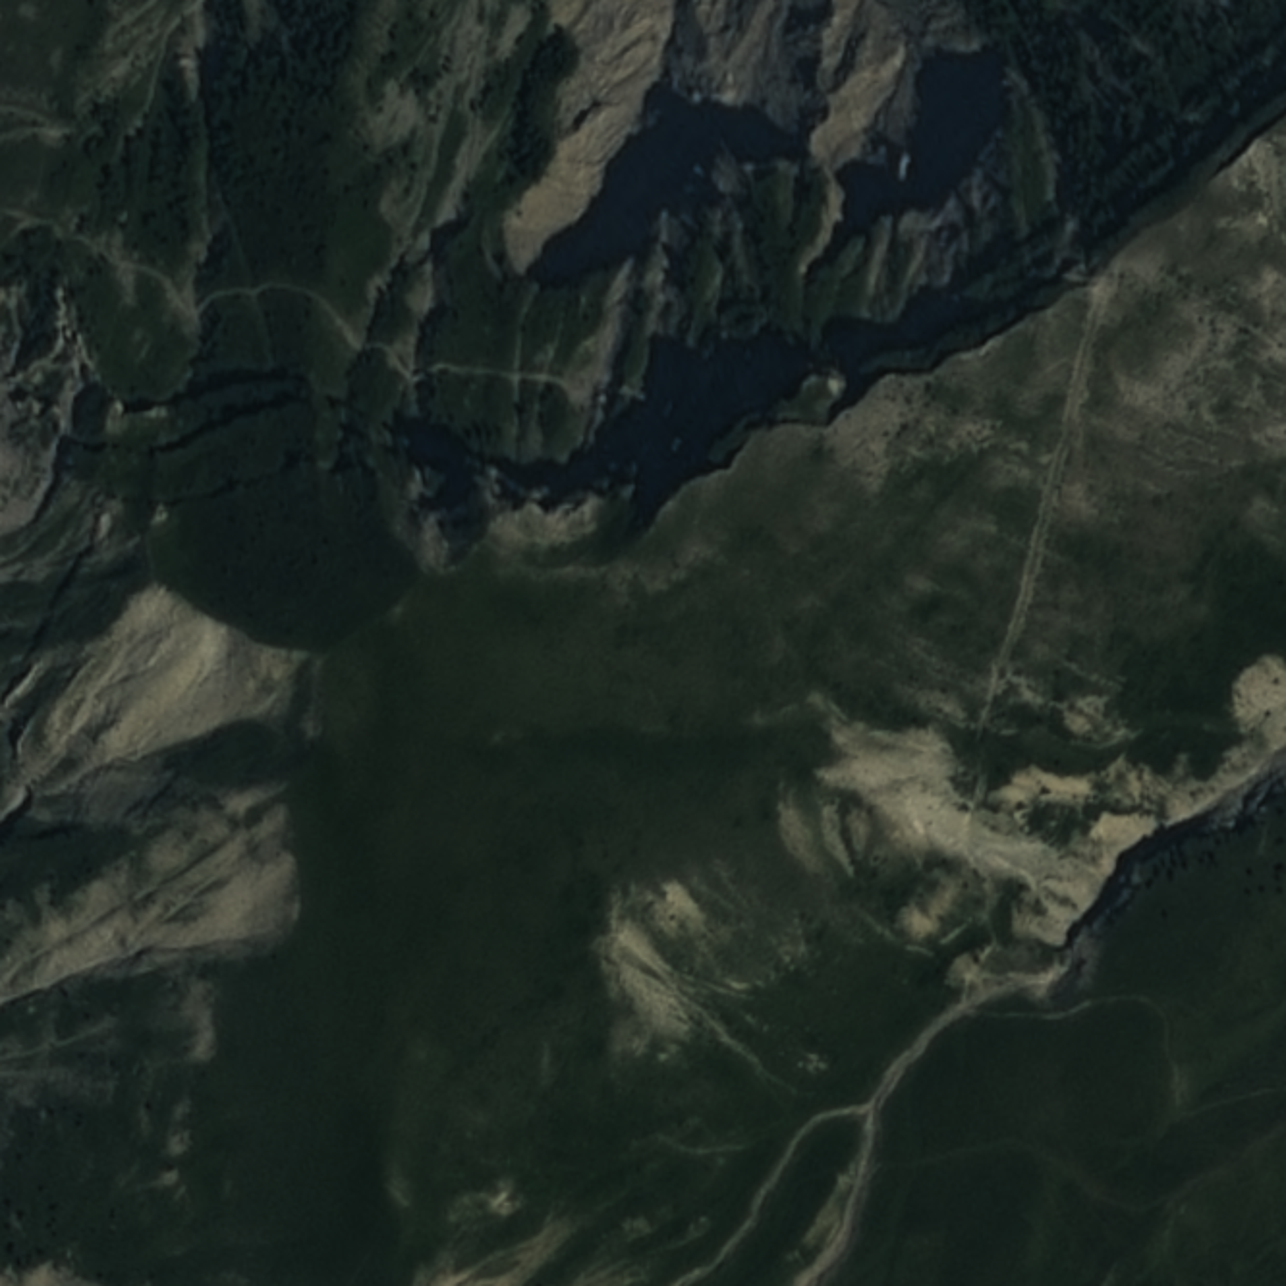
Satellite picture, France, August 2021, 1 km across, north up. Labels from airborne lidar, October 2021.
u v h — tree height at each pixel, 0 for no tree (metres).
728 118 0
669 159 0
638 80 0
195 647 0
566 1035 0
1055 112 6
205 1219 0
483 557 0
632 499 0
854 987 0
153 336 0
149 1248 0
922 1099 0
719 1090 0
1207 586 0
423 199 0
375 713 0
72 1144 0
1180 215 0
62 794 0
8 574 0
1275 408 0
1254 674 0
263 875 0
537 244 0
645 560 0
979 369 0
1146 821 0
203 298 0
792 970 0
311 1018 0
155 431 0
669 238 0
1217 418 0
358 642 0
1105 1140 0
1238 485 0
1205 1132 0
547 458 0
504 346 0
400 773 0
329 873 0
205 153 0
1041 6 13
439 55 0
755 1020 0
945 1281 0
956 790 0
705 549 0
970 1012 0
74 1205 0
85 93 0
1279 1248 0
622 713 0
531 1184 0
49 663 0
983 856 0
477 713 0
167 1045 0
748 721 0
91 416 0
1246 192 0
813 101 0
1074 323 0
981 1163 0
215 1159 0
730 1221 0
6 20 0
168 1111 0
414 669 0
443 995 0
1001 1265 0
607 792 0
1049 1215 0
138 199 0
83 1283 0
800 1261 0
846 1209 0
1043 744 0
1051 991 0
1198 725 0
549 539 0
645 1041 0
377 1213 0
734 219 0
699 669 0
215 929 0
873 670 0
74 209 0
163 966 0
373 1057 0
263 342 0
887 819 0
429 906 0
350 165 0
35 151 0
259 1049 0
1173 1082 0
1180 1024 0
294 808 0
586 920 0
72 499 0
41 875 0
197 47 0
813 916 0
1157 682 0
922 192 0
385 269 0
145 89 0
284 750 0
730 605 0
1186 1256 0
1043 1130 0
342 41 14
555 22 0
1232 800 0
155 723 0
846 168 0
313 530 0
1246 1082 0
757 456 0
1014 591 0
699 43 0
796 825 0
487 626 0
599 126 0
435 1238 0
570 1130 0
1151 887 7
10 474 0
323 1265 0
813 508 0
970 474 0
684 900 0
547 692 0
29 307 0
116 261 0
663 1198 0
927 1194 0
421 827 0
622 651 0
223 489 0
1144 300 0
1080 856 0
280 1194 0
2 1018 0
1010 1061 0
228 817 0
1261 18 0
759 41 0
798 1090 0
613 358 0
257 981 0
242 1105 0
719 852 0
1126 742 0
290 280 0
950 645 0
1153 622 0
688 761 0
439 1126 0
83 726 0
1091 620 0
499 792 0
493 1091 0
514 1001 0
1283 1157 0
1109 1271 0
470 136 0
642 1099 0
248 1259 0
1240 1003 0
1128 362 0
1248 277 0
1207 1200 0
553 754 0
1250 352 0
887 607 0
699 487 0
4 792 0
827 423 0
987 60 0
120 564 0
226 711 0
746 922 0
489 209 0
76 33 0
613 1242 0
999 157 0
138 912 0
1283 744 0
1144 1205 0
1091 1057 0
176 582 0
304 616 0
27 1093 0
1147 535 0
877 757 0
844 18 0
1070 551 0
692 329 0
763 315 0
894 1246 0
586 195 0
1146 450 0
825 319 0
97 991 0
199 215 0
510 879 0
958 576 0
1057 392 0
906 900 0
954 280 0
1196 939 0
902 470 0
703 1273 0
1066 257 0
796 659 0
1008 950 0
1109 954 0
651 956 0
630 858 0
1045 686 0
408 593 0
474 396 0
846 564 0
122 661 0
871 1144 0
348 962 0
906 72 0
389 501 0
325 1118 0
